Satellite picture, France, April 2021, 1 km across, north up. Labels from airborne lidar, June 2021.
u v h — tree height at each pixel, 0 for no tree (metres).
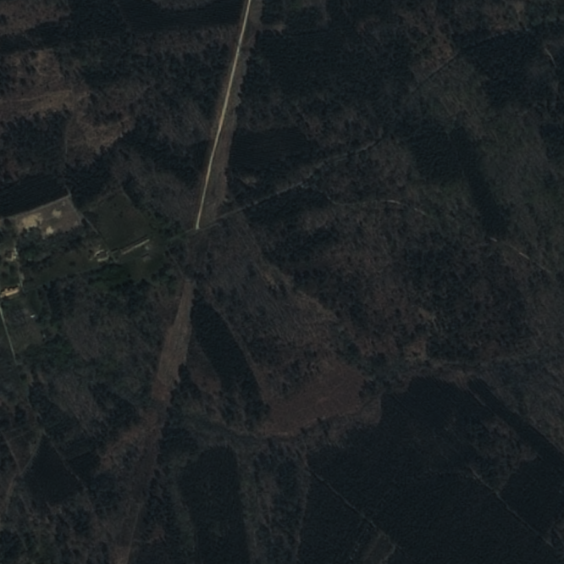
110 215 0
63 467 8
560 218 19
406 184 11
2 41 8
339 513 10
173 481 12
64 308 10
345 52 16
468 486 11
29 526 17
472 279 19
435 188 21
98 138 0
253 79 19
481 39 16
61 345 19
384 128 11
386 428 10
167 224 18
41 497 10
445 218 23
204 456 10
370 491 12
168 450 20
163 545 12
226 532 10
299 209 13
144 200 21
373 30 17
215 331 15
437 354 17
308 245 12
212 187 0
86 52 8
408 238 10
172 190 10
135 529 0
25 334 32
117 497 19
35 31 8
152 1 8
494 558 12
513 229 15
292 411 0
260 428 16
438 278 22
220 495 10
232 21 8
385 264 12
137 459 12
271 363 10
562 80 13
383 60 16
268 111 19
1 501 13
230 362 14
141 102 7
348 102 19
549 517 10
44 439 7
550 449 10
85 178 10
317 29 19
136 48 16
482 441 15
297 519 15
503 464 15
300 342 7
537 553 12
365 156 12
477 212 12
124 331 8
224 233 8
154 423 0
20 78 0
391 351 13
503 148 15
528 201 17
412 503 11
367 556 6
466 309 7
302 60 16
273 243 9
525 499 11
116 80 14
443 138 22
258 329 10
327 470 10
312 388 0
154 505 16
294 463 10
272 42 16
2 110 0
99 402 10
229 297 11
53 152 25
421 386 8
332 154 10
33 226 0
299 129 7
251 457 8
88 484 10
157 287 7
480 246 10
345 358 7
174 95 6
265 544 13
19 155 23
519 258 11
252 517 14
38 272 6
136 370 19
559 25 9
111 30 15
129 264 0
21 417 16
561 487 11
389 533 12
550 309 11
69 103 0
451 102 8
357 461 11
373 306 7
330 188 7
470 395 9
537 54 19
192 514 11
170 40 7
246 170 12
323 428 20
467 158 16
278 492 10
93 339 9
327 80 15
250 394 11
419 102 14
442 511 12
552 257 13
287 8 14
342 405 0
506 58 13
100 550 9
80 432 10
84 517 21
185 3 10
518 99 19
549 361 12
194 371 10
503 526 12
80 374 15
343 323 22
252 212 12
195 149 11
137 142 17
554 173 14
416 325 8
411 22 11
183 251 15
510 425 10
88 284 7
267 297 13
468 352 22
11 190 11
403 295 19
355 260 6
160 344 12
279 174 14
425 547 10
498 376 14
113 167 9
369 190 13
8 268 12
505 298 10
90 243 11
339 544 10
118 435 11
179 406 19
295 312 12
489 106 14
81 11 15
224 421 7
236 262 14
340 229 7
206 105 15
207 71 20
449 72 13
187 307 0
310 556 13
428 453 11
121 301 11
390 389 18
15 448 0
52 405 16
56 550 8
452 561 11
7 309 13
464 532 11
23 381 14
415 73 10
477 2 8
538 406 16
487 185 16
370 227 10
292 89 16
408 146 17
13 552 17
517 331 9
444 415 8
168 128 10
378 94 19
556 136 22
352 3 14
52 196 9
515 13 21
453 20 7
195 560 15
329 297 9
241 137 10
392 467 9
